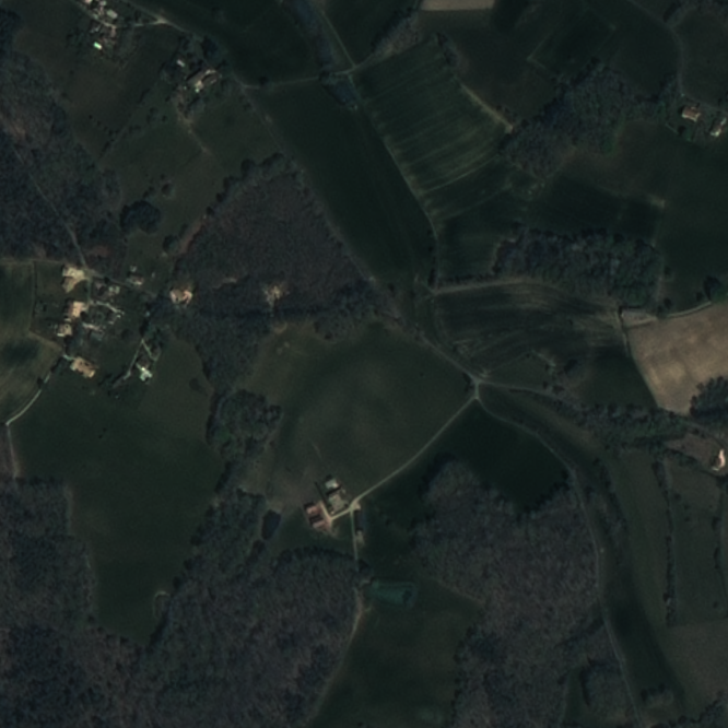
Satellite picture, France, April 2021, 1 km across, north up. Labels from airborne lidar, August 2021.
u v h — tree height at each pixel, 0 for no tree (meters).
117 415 0
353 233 0
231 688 18
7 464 21
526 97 0
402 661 0
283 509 0
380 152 0
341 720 0
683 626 0
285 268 10
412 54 0
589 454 0
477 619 0
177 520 0
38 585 20
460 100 0
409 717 0
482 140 0
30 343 0
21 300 0
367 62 0
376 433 0
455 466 25
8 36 20
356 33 0
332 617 13
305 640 13
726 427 29
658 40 0
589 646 21
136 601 0
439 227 0
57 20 0
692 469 14
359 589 18
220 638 20
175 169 0
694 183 0
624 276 16
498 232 0
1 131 15
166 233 0
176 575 0
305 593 21
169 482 0
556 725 19
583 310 0
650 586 0
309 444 0
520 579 16
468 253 0
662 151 0
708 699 0
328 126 0
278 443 0
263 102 0
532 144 19
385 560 0
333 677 11
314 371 0
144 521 0
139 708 17
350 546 0
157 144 0
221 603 15
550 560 21
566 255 18
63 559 19
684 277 0
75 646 14
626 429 23
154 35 0
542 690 23
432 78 0
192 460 0
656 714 0
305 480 0
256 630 8
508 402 0
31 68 19
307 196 15
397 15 0
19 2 0
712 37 0
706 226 0
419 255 0
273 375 0
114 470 0
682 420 10
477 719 17
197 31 0
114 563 0
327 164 0
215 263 8
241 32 0
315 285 10
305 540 0
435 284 12
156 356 16
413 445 0
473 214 0
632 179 0
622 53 0
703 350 0
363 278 7
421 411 0
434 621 0
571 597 24
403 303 0
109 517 0
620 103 21
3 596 22
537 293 0
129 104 0
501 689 21
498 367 0
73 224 18
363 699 0
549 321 0
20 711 9
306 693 18
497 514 24
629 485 0
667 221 0
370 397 0
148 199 10
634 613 0
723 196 0
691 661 0
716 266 0
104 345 0
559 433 0
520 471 0
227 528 26
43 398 0
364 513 0
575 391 0
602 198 0
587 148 21
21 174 16
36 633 25
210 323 26
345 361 0
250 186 14
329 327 22
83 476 0
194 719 19
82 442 0
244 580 15
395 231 0
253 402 6
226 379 30
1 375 0
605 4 0
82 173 23
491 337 0
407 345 0
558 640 26
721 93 0
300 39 0
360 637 0
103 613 0
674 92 6
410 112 0
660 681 0
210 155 0
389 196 0
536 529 15
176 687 12
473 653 22
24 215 20
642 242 0
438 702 0
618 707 27
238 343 25
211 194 0
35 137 25
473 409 0
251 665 20
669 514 9
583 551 16
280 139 0
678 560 0
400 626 0
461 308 0
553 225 0
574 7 0
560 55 0
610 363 0
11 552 21
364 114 0
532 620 16
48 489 16
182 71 7
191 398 0
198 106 12
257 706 16
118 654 8
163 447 0
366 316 21
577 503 22
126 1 0
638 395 0
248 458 13
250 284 11
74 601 22
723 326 0
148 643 0
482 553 26
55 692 26
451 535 15
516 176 0
